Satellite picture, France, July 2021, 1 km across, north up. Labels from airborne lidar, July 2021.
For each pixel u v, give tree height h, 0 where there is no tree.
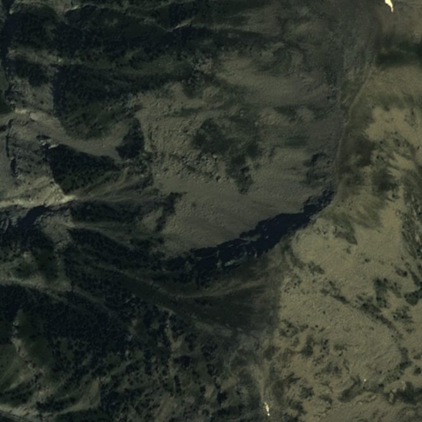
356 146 0
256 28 0
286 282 0
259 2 0
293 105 0
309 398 0
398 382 0
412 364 0
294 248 0
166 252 0
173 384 0
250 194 0
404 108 0
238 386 0
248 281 0
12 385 0
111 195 0
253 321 0
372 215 0
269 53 0
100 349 8
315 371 0
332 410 0
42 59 0
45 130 0
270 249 0
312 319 0
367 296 0
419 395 0
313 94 0
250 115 0
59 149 14
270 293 0
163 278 8
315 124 0
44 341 0
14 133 0
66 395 0
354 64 0
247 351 0
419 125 0
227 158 0
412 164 0
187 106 0
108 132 0
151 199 0
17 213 0
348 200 0
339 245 0
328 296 0
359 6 0
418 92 0
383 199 0
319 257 0
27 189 0
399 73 0
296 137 0
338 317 0
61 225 0
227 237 0
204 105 0
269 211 0
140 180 0
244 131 0
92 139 0
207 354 6
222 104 0
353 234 0
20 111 0
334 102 0
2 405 0
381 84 0
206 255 12
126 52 9
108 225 0
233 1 0
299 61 0
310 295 0
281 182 0
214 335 0
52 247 10
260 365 0
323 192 0
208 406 0
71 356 0
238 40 0
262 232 0
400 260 0
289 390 0
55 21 7
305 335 0
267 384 0
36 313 10
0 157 0
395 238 0
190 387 0
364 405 0
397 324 0
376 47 0
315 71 0
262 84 0
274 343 0
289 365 0
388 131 0
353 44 0
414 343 0
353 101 0
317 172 0
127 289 9
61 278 0
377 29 0
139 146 11
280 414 0
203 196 0
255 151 0
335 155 0
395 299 0
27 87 0
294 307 0
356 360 0
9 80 0
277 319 0
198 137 0
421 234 0
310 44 0
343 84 0
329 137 0
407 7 0
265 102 0
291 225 0
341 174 0
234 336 0
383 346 0
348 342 0
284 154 0
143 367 0
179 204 0
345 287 0
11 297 12
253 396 0
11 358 0
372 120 0
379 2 0
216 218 0
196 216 0
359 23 0
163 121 0
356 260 0
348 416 0
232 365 0
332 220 0
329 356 0
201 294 0
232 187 0
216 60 0
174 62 0
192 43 0
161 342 0
